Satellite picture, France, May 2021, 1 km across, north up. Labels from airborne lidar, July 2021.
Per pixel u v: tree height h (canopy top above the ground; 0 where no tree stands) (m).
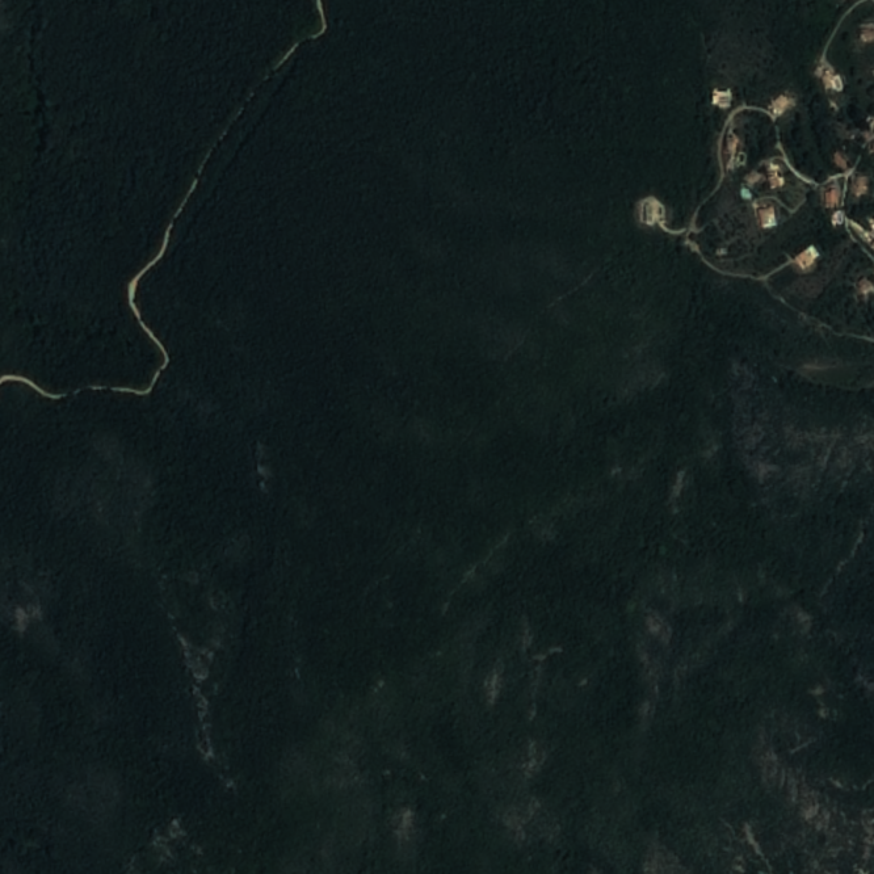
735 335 13
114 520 5
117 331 17
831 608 6
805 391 7
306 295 6
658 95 8
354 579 6
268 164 9
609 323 6
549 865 6
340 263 9
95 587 6
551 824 6
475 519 11
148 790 11
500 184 7
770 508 5
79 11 13
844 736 9
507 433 8
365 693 8
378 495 8
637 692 7
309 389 9
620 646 10
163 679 8
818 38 10
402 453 9
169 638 7
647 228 0
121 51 11
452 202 8
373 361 7
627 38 9
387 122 9
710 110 9
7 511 9
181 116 10
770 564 7
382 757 7
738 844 7
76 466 6
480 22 7
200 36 12
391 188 9
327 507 9
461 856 6
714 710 10
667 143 6
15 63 19
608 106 12
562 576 14
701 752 9
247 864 13
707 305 10
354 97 9
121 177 8
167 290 10
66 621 8
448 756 10
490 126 8
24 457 9
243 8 13
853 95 6
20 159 21
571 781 5
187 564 10
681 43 7
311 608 7
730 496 7
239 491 10
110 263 9
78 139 20
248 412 10
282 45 13
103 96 10
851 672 7
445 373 7
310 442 8
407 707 8
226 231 10
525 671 6
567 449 11
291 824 7
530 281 6
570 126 10
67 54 11
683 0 7
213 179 8
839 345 6
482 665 6
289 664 6
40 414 8
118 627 11
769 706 8
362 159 9
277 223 11
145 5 13
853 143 11
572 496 8
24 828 8
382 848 6
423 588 8
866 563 6
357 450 9
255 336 8
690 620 8
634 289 8
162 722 7
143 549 6
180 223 7
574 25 12
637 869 8
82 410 10
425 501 8
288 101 10
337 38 12
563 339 7
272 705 11
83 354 11
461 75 8
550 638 8
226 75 12
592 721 6
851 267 8
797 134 15
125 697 8
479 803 8
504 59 6
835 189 0
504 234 7
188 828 8
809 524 10
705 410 8
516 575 12
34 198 12
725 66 6
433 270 7
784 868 5
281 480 8
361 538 5
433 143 6
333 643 12
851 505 6
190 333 9
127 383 13
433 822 10
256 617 13
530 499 6
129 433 11
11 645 11
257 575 12
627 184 6
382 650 11
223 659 6
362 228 10
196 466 8
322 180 8
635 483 10
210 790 14
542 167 7
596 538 8
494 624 8
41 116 13
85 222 9
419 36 10
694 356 12
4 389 6
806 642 6
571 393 6
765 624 6
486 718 8
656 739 7
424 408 6
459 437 6
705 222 11
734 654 7
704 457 6
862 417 7
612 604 13
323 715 7
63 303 7
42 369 10
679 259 10
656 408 12
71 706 12
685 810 7
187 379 7
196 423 7
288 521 8
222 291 9
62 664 6
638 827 7
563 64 13
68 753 8
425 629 7
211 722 6
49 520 7
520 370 6
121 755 11
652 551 16
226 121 15
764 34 9
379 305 7
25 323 14
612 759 8
